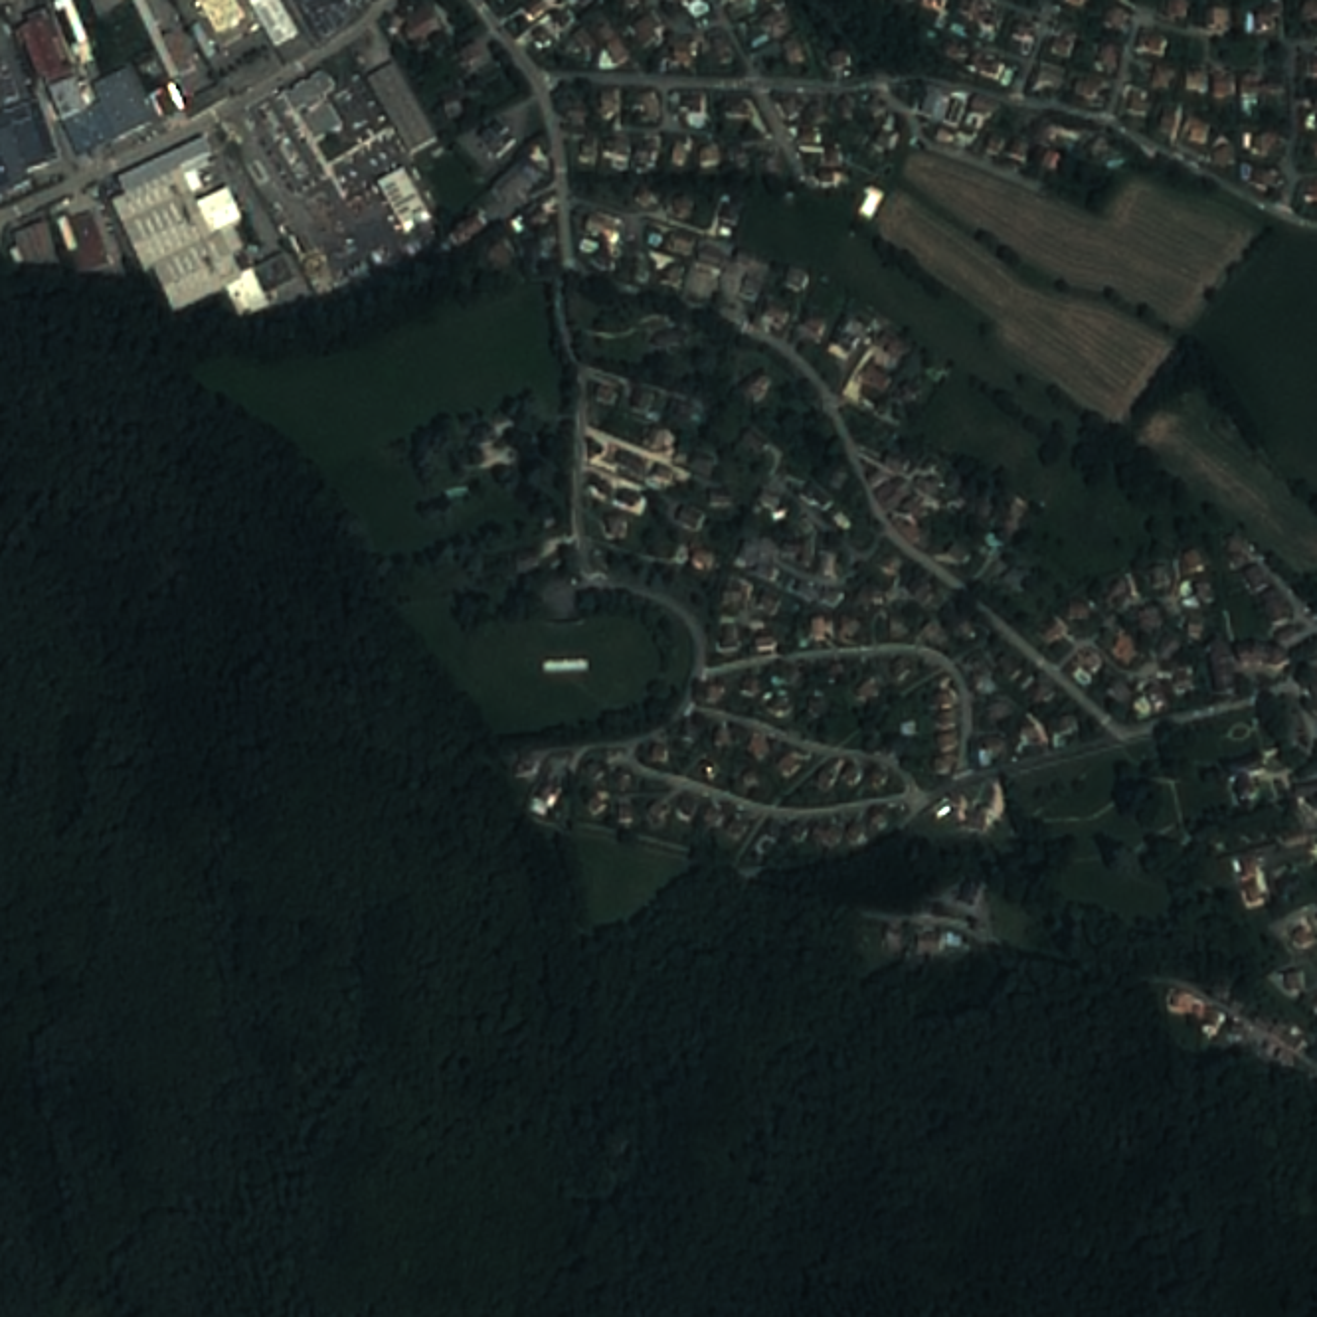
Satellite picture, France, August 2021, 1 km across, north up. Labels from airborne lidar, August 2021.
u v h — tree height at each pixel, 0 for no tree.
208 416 20
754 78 0
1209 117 5
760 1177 13
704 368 22
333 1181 21
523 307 0
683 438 13
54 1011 22
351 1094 24
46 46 0
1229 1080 23
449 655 0
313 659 22
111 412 20
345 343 14
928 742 6
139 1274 17
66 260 15
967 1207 16
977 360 0
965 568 6
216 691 18
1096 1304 27
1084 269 0
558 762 0
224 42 0
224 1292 17
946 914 9
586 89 12
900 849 15
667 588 15
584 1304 22
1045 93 7
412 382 0
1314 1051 11
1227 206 0
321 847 16
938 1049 18
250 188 0
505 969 17
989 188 0
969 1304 19
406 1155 15
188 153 0
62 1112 19
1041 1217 19
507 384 0
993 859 17
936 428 0
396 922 20
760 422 10
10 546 21
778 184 16
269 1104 19
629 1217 19
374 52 0
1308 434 0
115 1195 16
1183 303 0
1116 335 0
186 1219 22
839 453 6
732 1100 20
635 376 11
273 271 0
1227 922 13
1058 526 0
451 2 11
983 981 5
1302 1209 28
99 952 20
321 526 23
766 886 18
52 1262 6
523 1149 22
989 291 0
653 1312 20
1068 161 19
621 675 0
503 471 13
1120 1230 24
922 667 6
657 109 0
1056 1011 23
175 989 17
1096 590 9
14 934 20
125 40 0
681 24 0
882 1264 21
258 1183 18
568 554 17
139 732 22
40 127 0
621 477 0
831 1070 17
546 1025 17
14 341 26
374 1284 18
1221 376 19
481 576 8
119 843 22
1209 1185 17
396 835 15
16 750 17
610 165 0
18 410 19
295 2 0
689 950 19
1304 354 0
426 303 14
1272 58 6
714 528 8
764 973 16
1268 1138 23
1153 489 15
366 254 0
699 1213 17
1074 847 13
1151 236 0
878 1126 23
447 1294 21
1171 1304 25
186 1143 24
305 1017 17
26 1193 18
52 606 20
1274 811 14
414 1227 17
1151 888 0
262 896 19
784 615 6
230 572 25
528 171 0
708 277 0
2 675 17
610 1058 17
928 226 0
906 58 19
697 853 11
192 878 20
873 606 6
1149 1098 26
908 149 0
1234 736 0
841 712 8
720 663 7
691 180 11
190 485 16
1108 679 6
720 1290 17
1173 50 7
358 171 0
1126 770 15
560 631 0
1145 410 13
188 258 0
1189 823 9
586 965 16
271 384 0
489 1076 17
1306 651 8
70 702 15
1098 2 7
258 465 19
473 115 12
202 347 11
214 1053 20
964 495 8
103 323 21
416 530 0
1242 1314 23
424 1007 17
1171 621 6
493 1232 21
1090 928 26
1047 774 0
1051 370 0
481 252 10
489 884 16
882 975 11
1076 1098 17
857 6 14
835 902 14
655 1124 11
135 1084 17
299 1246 20
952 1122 20
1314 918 0
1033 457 0
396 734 24
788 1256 17
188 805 22
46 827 17
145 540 21
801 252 0
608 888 0
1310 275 0
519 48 0
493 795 19
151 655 21
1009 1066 17
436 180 0
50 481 20
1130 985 21
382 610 20
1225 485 0
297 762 16
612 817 10
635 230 0
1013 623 11
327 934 15
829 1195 16
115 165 0
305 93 0
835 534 8
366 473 0
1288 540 0
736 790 12
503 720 0
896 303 0
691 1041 15
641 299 9
